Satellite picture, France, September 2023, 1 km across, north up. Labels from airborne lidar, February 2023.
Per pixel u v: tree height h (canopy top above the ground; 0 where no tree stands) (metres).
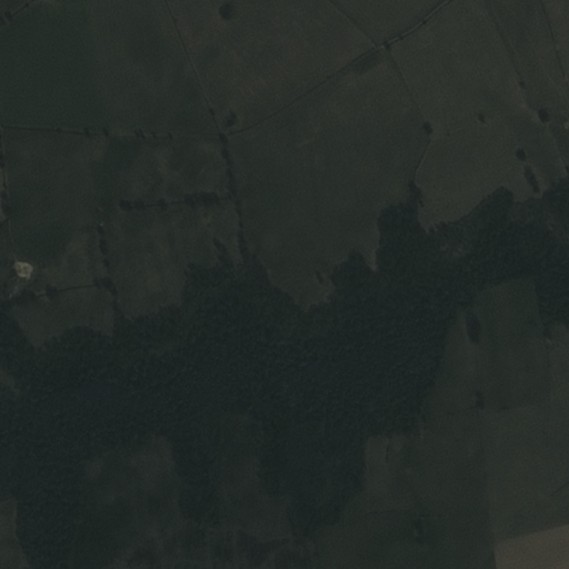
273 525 0
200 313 13
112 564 0
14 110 0
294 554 0
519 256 17
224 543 0
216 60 0
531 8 0
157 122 0
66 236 0
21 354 15
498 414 0
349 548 0
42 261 0
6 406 13
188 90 0
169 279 0
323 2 0
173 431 20
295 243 0
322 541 0
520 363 0
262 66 0
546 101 0
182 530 0
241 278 18
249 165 0
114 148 0
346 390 7
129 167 0
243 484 0
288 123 0
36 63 0
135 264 0
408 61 0
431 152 0
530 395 0
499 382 0
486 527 0
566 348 0
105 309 0
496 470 0
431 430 0
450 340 0
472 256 14
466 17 0
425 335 11
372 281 13
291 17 0
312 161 0
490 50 0
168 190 0
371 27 0
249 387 20
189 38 0
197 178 0
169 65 0
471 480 0
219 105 0
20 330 13
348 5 0
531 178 14
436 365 20
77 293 0
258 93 0
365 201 0
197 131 0
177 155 0
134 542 0
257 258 16
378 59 0
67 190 0
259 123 0
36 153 0
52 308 0
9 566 0
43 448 10
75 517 22
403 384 8
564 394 0
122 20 0
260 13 0
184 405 19
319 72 0
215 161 0
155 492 0
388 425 12
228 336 21
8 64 0
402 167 0
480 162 0
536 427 0
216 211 0
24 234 0
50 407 25
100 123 0
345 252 0
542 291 25
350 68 0
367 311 17
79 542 0
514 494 0
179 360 9
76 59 0
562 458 0
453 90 0
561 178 0
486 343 0
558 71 0
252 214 0
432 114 0
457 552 0
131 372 21
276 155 0
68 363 16
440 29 0
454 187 0
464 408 0
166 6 0
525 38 0
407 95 0
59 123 0
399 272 27
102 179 0
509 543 0
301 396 7
